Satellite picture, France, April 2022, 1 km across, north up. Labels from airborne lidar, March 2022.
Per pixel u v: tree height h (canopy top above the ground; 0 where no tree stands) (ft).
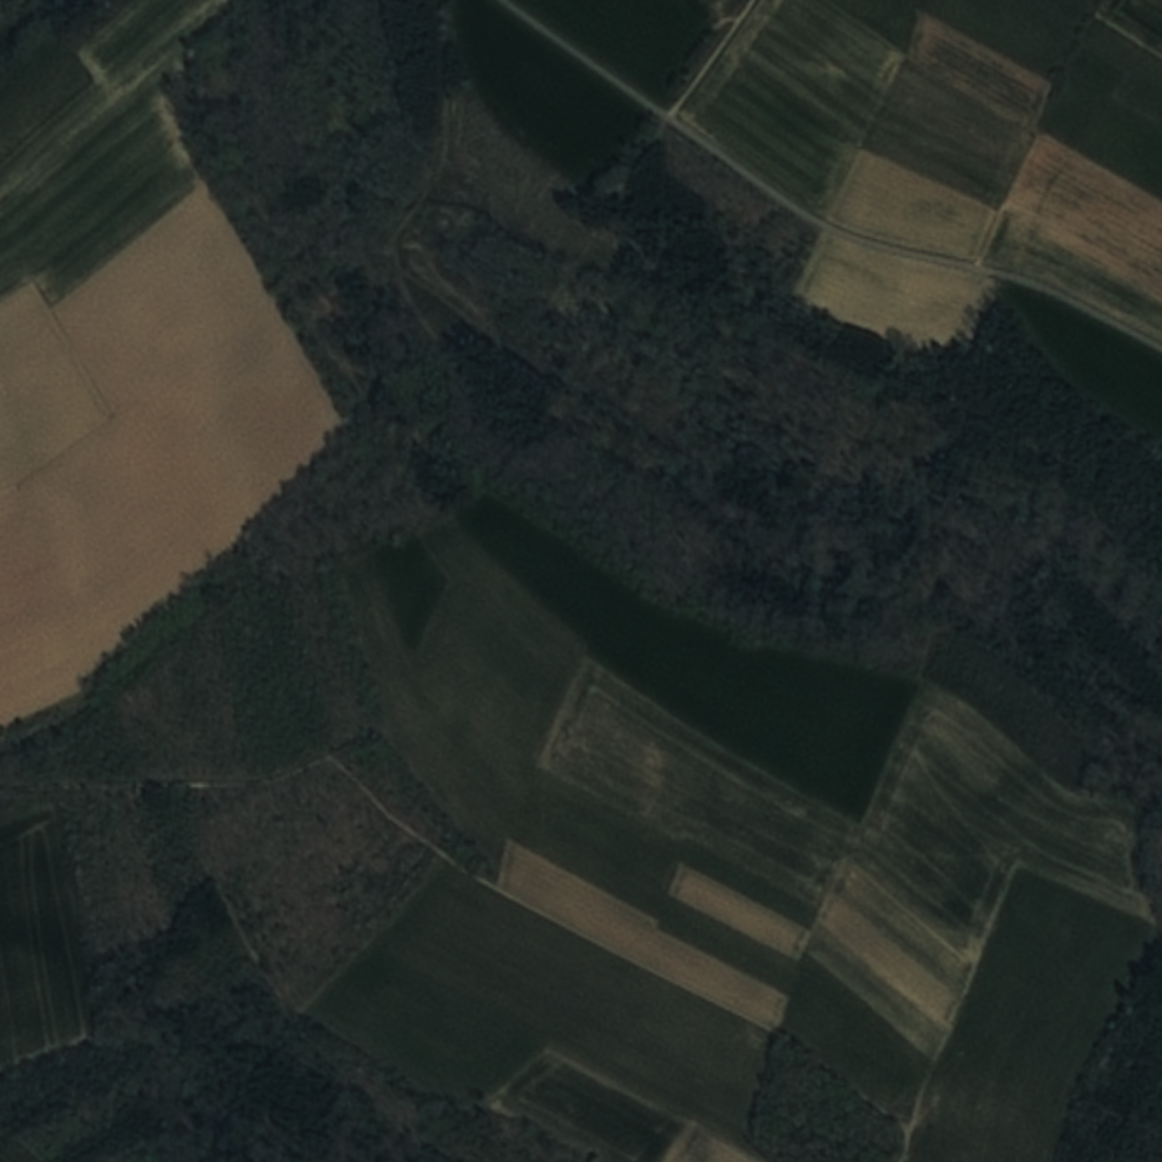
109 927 35
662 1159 0
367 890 18
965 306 0
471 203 0
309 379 0
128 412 0
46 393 0
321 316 91
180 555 0
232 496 0
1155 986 91
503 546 0
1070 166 0
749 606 56
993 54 0
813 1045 0
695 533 111
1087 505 72
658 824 0
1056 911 0
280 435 0
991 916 0
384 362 114
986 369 65
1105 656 60
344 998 0
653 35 0
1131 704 73
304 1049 77
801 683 0
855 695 0
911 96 0
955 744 0
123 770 31
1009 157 0
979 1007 0
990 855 0
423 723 0
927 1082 0
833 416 82
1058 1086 0
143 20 0
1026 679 49
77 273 0
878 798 0
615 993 0
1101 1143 41
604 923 0
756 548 106
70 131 0
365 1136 71
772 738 0
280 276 88
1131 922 0
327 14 76
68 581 0
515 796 0
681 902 0
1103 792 61
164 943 52
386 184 95
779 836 0
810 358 67
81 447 0
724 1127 0
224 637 41
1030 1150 0
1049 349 0
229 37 93
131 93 0
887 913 0
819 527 93
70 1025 0
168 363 0
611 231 69
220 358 0
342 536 96
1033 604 82
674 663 0
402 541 55
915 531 45
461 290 0
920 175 0
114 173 0
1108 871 0
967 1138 0
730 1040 0
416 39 80
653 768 0
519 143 0
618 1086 0
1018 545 77
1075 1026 0
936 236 0
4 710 0
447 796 0
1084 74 0
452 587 0
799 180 0
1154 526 73
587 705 0
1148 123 0
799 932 0
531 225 0
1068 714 54
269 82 114
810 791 0
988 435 65
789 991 0
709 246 51
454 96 53
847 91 0
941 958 0
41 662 0
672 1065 0
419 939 0
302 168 114
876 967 0
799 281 58
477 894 0
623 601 0
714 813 0
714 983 0
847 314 0
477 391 97
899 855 0
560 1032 0
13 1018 0
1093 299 0
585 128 0
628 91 0
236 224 45
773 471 83
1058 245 0
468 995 0
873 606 46
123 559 0
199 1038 78
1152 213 0
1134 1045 39
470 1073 0
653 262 82
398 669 0
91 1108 93
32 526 0
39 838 0
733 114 0
